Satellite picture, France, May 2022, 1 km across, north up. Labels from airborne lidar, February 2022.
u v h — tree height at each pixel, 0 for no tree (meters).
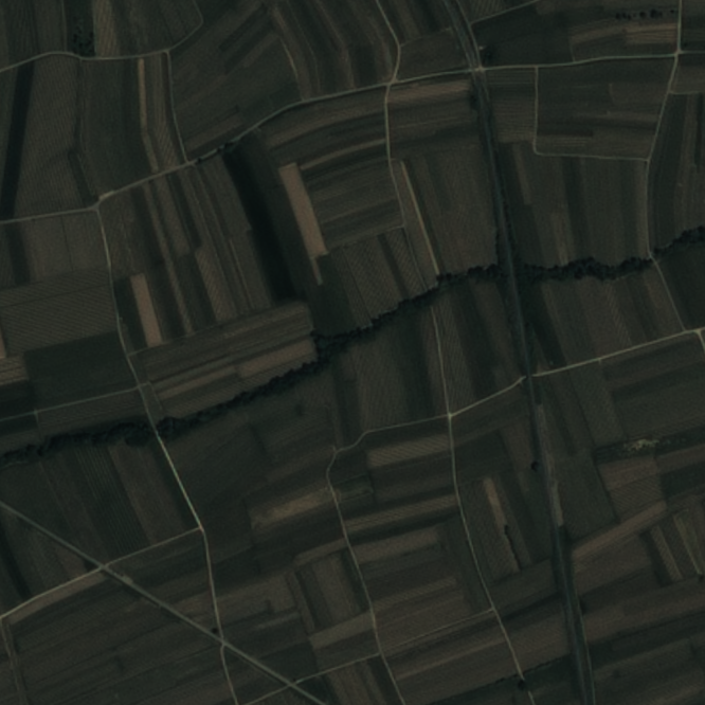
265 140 0
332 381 0
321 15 0
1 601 0
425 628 0
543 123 0
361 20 0
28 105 0
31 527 0
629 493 0
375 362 0
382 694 0
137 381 0
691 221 0
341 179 0
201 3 0
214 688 0
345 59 0
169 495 0
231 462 0
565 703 0
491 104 0
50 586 0
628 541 0
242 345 0
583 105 0
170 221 0
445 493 0
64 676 0
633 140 0
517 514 0
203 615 0
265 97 0
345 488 0
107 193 0
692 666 0
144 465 0
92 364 0
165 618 0
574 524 0
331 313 0
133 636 0
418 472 0
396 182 0
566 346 0
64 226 0
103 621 0
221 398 0
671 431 0
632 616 0
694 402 0
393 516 0
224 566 0
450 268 0
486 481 0
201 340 0
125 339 0
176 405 0
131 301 0
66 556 0
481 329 0
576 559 0
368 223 0
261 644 0
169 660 0
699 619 0
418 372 0
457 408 0
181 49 0
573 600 0
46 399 0
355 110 0
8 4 0
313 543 0
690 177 0
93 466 0
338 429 0
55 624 0
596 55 0
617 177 0
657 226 0
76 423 0
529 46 0
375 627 0
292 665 0
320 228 0
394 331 0
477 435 0
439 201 0
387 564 0
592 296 0
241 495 0
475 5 0
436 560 0
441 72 0
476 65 0
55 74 0
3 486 0
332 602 0
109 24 0
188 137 0
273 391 12
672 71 0
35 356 0
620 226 0
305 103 0
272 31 0
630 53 0
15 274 0
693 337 0
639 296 0
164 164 0
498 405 0
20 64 0
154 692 0
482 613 0
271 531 0
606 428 0
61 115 0
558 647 0
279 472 0
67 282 0
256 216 0
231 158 0
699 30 0
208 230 0
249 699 0
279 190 0
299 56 0
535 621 0
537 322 0
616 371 0
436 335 0
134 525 0
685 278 0
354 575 0
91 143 0
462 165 0
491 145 0
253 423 0
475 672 0
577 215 0
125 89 0
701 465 0
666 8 0
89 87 0
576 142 0
